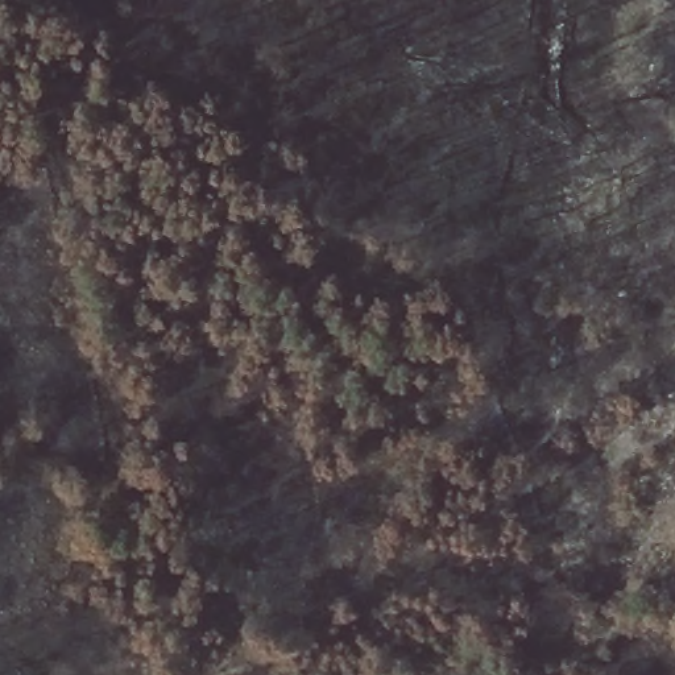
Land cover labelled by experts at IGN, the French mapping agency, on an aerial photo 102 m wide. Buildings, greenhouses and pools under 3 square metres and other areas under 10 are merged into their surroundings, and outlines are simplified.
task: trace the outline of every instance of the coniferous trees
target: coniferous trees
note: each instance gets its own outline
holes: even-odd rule
[[[240,47],[229,47],[211,58],[195,53],[171,21],[171,8],[179,11],[185,0],[0,0],[0,477],[5,485],[11,477],[42,477],[45,464],[55,469],[50,485],[53,493],[66,504],[66,525],[58,533],[58,551],[82,562],[79,575],[74,575],[63,593],[58,593],[58,612],[63,617],[98,617],[111,643],[119,643],[127,635],[132,635],[132,651],[145,657],[142,675],[675,675],[675,390],[667,393],[667,406],[654,406],[646,411],[643,406],[628,398],[625,390],[617,388],[622,380],[633,380],[641,374],[638,364],[628,364],[620,356],[620,340],[625,338],[622,308],[588,311],[564,290],[543,295],[509,279],[496,279],[490,274],[435,266],[414,245],[385,240],[361,208],[351,208],[348,203],[335,200],[338,169],[348,163],[351,156],[348,150],[330,148],[324,129],[298,113],[306,90],[298,84],[295,66],[264,50],[256,53],[253,61],[245,58]]]

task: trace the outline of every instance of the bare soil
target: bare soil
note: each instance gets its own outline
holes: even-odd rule
[[[633,380],[622,380],[617,388],[625,390],[628,398],[643,406],[646,411],[654,406],[667,406],[667,393],[675,390],[675,0],[185,0],[179,11],[171,8],[171,21],[195,53],[211,58],[229,47],[240,47],[245,58],[253,61],[256,53],[264,50],[295,66],[298,84],[306,90],[298,113],[324,129],[330,148],[348,150],[351,156],[348,163],[338,169],[335,200],[348,203],[351,208],[361,208],[385,240],[414,245],[435,266],[490,274],[496,279],[509,279],[543,295],[564,290],[588,311],[622,308],[625,338],[620,340],[620,356],[628,364],[638,364],[641,374]]]
[[[58,533],[66,525],[66,504],[53,493],[50,485],[55,469],[45,464],[42,477],[11,477],[5,485],[0,477],[0,675],[142,675],[145,657],[132,651],[132,635],[127,635],[119,643],[111,643],[98,617],[63,617],[58,612],[58,593],[63,593],[74,575],[79,575],[82,562],[58,551]]]

